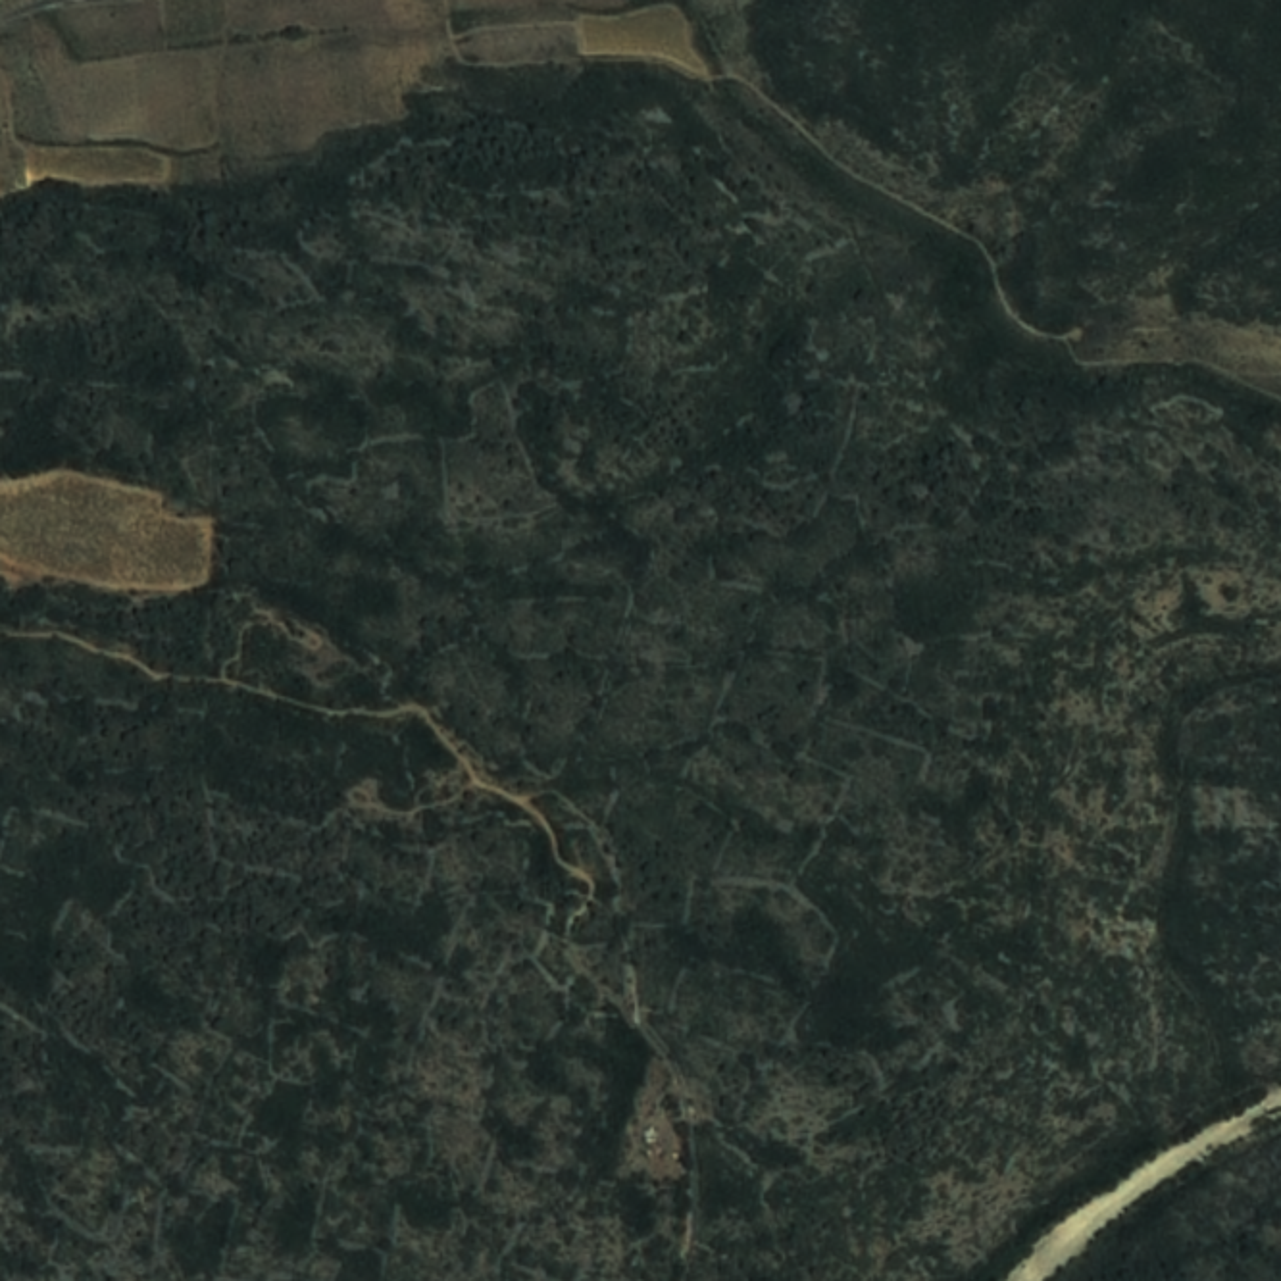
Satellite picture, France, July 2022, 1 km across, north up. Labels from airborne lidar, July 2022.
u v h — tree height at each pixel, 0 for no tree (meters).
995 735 6
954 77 0
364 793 0
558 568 0
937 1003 10
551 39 0
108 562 0
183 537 0
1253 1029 0
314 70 0
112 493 0
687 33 0
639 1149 0
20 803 6
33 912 0
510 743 0
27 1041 9
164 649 6
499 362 6
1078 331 0
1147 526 0
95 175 0
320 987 0
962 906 0
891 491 11
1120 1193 0
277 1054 0
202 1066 0
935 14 0
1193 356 0
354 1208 0
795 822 0
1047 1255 0
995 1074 11
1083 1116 6
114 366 8
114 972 10
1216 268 0
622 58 0
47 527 0
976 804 6
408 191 7
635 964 6
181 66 0
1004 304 0
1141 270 0
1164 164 0
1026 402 9
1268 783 0
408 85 0
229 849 9
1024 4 0
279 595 6
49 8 0
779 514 8
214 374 9
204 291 11
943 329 7
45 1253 0
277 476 5
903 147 0
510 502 8
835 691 6
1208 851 0
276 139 0
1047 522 12
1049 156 0
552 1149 0
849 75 0
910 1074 7
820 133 0
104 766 6
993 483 8
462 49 0
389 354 0
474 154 11
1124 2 0
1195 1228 0
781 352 8
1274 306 0
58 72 0
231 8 0
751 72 0
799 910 0
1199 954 0
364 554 5
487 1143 0
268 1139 0
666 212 6
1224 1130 0
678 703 0
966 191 0
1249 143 0
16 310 0
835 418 0
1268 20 0
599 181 10
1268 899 0
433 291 0
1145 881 0
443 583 6
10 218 5
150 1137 11
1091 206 0
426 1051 0
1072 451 7
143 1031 6
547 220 9
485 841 8
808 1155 0
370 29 0
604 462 0
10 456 5
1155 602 0
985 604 0
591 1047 6
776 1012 0
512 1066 0
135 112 0
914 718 7
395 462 0
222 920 10
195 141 0
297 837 9
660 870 7
